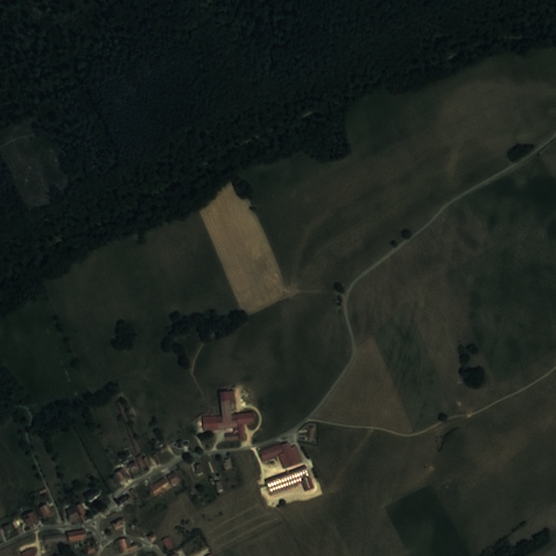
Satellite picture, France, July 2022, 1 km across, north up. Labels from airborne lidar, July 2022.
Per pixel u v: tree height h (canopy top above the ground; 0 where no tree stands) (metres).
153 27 28
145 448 0
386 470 0
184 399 0
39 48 24
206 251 0
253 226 0
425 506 0
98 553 0
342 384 0
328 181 0
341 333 0
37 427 16
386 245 0
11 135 0
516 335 0
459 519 0
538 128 0
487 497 0
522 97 0
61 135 27
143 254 0
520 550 14
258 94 18
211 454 0
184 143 26
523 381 0
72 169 24
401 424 0
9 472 0
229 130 33
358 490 0
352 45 14
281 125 30
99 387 0
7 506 0
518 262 0
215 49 21
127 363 0
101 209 29
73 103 23
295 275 0
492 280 0
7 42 25
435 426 0
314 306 0
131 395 0
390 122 0
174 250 0
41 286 25
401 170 0
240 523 0
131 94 20
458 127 0
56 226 33
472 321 0
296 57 25
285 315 0
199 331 17
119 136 22
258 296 0
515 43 11
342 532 0
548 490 0
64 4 7
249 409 0
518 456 0
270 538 0
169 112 15
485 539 0
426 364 0
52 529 0
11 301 21
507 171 0
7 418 19
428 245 0
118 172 21
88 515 18
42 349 0
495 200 0
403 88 18
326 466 0
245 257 0
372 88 19
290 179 0
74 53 6
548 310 0
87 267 0
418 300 0
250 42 32
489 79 0
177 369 0
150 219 26
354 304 0
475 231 0
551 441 0
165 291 0
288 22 35
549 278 0
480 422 0
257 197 0
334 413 0
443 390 0
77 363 17
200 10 28
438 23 23
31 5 11
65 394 0
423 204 0
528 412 0
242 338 0
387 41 15
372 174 0
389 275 0
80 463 0
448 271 0
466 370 8
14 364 0
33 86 27
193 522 0
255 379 0
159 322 0
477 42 27
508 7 30
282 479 0
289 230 0
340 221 0
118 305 0
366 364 0
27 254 34
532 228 0
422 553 0
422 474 0
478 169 0
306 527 0
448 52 30
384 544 0
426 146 0
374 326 0
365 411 0
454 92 0
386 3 25
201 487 12
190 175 32
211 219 0
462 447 0
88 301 0
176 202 27
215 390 0
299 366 0
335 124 26
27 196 0
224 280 0
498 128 0
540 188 0
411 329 0
